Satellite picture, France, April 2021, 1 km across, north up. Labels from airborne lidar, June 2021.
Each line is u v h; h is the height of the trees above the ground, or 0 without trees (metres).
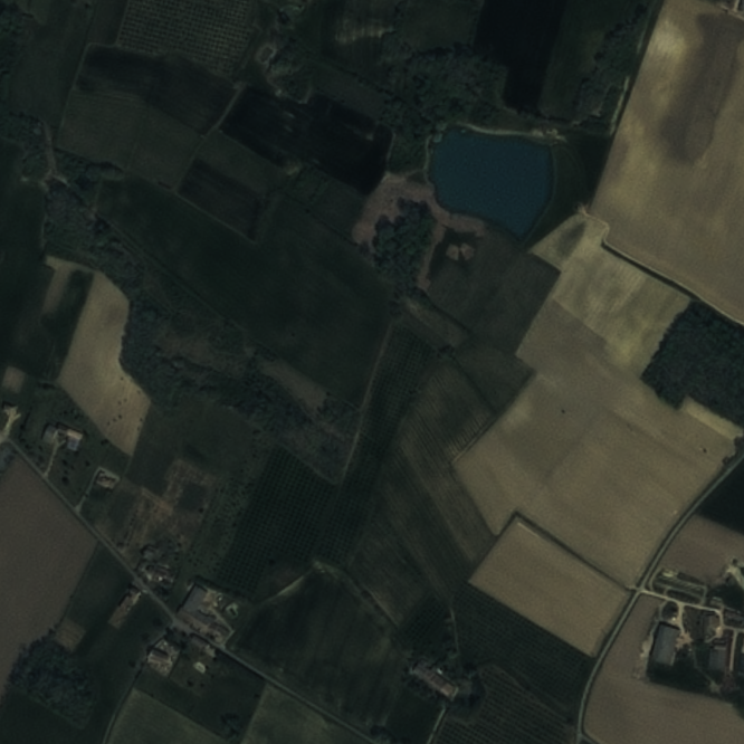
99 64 0
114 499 0
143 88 0
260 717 0
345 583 0
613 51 10
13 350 0
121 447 0
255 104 0
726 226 0
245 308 0
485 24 0
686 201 0
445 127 30
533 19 0
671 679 0
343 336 0
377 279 0
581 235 0
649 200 0
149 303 8
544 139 0
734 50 0
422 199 0
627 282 0
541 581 0
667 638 0
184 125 0
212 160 0
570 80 0
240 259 0
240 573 6
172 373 19
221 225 0
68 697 29
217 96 0
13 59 7
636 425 0
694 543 0
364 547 0
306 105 0
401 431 0
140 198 0
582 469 0
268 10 0
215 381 6
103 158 0
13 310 0
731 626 0
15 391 0
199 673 0
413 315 0
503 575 0
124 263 20
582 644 0
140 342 22
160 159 0
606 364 0
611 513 0
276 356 6
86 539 0
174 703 0
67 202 21
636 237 0
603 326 0
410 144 21
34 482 0
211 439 0
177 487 0
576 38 0
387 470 0
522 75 0
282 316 0
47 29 0
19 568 0
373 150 0
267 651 0
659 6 0
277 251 0
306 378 0
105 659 0
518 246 0
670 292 0
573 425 0
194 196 0
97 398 0
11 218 0
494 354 0
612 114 8
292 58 16
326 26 0
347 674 0
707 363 16
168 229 0
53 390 11
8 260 0
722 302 0
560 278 0
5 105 6
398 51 16
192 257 0
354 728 0
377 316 0
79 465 0
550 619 0
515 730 5
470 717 18
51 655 15
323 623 0
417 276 20
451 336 0
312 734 0
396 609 0
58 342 0
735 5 0
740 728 0
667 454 0
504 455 0
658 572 0
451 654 18
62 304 0
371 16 0
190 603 0
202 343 0
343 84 0
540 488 0
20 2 0
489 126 14
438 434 0
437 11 0
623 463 0
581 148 0
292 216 0
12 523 0
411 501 0
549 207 0
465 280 0
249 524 6
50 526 0
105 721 0
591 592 0
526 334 0
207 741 0
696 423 0
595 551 0
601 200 0
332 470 15
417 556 0
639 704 0
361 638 0
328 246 0
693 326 17
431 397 0
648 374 8
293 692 0
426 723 0
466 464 0
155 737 0
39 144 5
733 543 0
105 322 0
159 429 0
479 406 0
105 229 17
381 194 0
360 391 0
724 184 0
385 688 0
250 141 0
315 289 0
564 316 0
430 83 18
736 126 0
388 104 7
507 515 0
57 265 0
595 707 0
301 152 0
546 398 0
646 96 0
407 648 0
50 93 0
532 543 0
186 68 0
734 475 0
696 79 0
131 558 0
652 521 0
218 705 0
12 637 0
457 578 0
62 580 0
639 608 0
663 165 0
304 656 0
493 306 0
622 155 0
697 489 0
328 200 0
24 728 0
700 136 0
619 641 0
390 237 19
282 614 0
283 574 0
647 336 0
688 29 0
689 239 0
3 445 0
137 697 0
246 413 17
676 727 0
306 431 19
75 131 0
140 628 0
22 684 19
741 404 18
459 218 0
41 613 0
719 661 0
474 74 19
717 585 0
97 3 0
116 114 0
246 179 0
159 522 0
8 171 0
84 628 0
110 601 0
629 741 0
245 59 0
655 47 0
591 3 0
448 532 0
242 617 0
